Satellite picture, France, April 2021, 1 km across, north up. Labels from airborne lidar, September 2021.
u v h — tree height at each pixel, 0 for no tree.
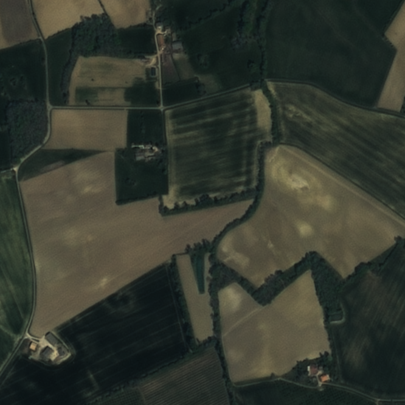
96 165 0
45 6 0
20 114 19
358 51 0
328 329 11
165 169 6
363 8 0
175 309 0
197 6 0
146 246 0
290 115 0
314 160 0
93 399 0
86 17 0
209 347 19
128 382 0
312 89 0
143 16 0
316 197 0
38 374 0
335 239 0
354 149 0
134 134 0
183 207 10
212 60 0
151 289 0
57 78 0
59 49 0
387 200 0
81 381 0
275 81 0
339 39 0
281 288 19
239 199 17
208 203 26
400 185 0
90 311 0
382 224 0
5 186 0
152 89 0
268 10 20
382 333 0
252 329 0
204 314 0
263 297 19
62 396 0
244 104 0
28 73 0
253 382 0
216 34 0
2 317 0
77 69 0
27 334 0
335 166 0
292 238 0
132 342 0
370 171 0
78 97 0
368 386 0
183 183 0
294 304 0
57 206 0
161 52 0
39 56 0
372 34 0
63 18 0
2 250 0
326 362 13
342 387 0
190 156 0
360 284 0
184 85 0
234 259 0
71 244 0
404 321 0
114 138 0
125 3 0
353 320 0
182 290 15
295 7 0
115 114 0
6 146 0
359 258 0
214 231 0
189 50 0
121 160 0
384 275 0
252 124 0
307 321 0
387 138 0
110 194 0
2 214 0
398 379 0
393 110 0
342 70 0
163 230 0
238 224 10
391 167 0
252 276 0
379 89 0
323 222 0
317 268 20
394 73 0
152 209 0
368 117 0
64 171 0
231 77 0
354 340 0
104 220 0
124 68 0
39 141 15
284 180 0
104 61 0
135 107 0
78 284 0
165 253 0
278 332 0
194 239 0
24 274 0
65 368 0
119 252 0
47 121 15
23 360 0
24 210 0
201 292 0
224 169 0
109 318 0
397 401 0
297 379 8
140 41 0
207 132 0
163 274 0
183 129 0
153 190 0
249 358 0
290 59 0
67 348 0
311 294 0
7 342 0
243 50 16
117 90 0
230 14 0
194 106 0
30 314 0
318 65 0
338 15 0
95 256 0
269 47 0
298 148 0
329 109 0
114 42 18
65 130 0
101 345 0
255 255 0
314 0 0
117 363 0
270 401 0
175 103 0
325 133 0
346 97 0
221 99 0
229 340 0
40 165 0
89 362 0
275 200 0
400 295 0
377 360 0
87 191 0
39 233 0
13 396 0
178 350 0
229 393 11
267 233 0
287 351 0
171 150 0
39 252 0
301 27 0
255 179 0
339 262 0
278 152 0
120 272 0
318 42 0
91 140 0
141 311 0
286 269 0
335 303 19
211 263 11
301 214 0
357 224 0
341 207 0
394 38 0
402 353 0
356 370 0
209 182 0
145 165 0
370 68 0
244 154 0
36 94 0
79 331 0
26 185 0
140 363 0
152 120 0
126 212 0
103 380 0
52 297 0
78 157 0
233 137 0
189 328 18
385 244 0
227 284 12
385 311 0
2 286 0
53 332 0
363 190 0
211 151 0
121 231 0
